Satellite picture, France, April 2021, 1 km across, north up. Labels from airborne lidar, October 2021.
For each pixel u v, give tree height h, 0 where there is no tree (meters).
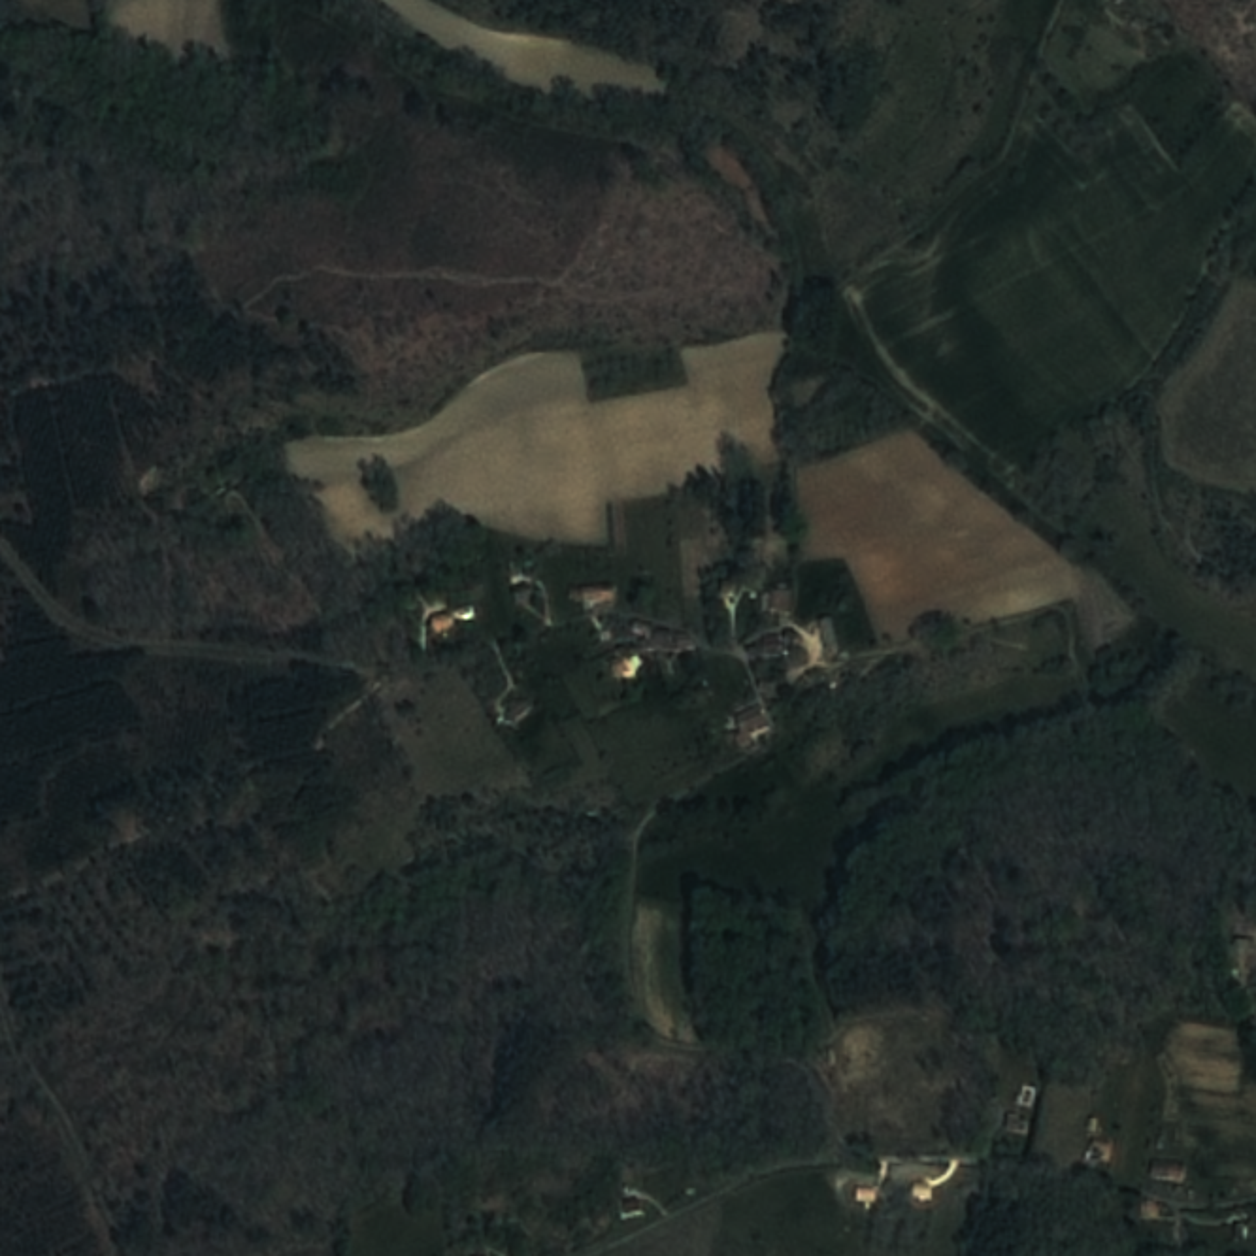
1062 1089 14
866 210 0
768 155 0
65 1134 0
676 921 0
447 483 0
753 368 0
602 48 22
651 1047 21
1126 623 0
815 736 11
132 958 10
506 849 18
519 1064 23
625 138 26
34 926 14
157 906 12
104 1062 17
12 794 11
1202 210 0
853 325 0
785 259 17
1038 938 22
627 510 0
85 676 13
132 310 17
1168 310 0
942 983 26
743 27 0
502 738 6
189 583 15
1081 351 0
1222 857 21
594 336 13
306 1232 25
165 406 11
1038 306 0
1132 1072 0
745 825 23
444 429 0
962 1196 0
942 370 0
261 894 20
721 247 0
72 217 13
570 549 0
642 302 0
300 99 11
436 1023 21
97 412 10
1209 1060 0
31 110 22
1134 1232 20
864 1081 0
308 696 12
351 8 32
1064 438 7
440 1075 21
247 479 16
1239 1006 24
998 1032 12
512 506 0
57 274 9
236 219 7
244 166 18
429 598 20
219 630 9
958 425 0
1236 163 0
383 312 13
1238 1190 0
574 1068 23
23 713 11
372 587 23
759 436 0
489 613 0
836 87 17
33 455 12
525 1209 0
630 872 21
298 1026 20
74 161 15
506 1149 19
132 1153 13
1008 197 0
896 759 0
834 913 12
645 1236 0
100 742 11
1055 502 10
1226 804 22
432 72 27
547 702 0
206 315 19
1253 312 0
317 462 0
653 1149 25
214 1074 19
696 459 0
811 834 0
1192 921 23
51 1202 11
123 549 17
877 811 0
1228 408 0
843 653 0
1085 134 15
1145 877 24
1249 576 8
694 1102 18
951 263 0
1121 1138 0
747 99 15
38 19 9
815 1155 25
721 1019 28
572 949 15
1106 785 22
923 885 22
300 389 18
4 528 13
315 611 15
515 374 0
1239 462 0
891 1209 10
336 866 18
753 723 0
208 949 7
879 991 29
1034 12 0
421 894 21
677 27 21
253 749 11
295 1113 23
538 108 19
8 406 15
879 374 0
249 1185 16
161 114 21
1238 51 0
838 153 9
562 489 0
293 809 7
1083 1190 19
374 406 0
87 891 12
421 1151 14
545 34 16
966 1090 19
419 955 18
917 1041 0
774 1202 0
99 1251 9
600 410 0
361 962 21
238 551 16
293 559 21
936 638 21
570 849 13
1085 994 23
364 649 20
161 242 17
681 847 8
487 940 16
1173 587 0
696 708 0
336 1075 21
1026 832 19
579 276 0
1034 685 0
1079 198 0
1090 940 12
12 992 6
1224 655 0
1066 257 0
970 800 24
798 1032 23
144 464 7
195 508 15
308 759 9
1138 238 0
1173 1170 0
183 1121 9
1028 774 28
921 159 0
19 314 20
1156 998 23
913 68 0
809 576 0
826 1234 0
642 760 0
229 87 21
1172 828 23
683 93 11
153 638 16
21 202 21
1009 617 0
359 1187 15
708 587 12
